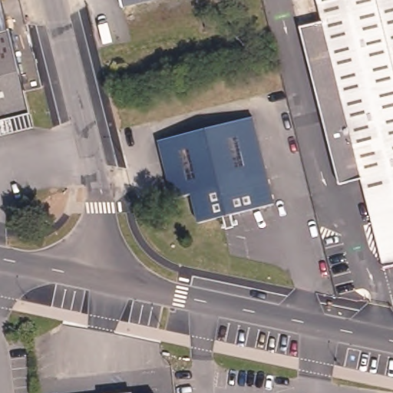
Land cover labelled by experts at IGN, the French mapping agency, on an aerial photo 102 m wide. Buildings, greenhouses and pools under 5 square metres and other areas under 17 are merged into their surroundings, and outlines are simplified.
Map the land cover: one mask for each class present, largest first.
<instances>
[{"label":"impervious surface","instance_id":"1","mask_svg":"<svg viewBox=\"0 0 393 393\"><path fill-rule=\"evenodd\" d=\"M319 0H261L272 31L278 41V51L281 55V68L273 72L281 75L282 89L272 92L269 98L252 97L235 101L221 107L224 112L195 115L180 123L173 118H166L154 123L138 124L134 129H118L115 127L111 111V107L115 106L111 83L107 81L104 88H100L98 83L97 71L103 66L97 46L109 43L117 45L129 41L127 26L130 25V21L138 20L143 12L157 9V0H0V18L2 11H6L8 26L17 35V57H21L26 48L32 45L43 88L49 117L54 127L46 129L34 126L32 115L28 112L0 120V393H29L26 390V350L17 342L8 341L5 335V322H15L25 313L28 315L45 316L61 321L60 325L34 339V352L41 393H393V269L382 270L378 241L368 215L361 180L344 186L336 184L335 170L313 91L312 77L299 35V25L319 20ZM252 115L272 198L269 204L241 212H230L221 218V229L226 230L227 244L232 255L281 267L293 279V289L173 263L150 246L140 227L135 221V204L143 200V193L146 190L164 186L167 181V178L161 175L154 138L160 140L200 127ZM41 201L49 204V212L55 218L68 215L78 213L74 227L63 238L43 246L35 247L34 244L21 243L15 236L8 235L5 220L6 216H12V207L25 209ZM123 209L129 218L130 233L140 249L150 259H154L155 263L178 273L181 278H172L169 281L155 275L130 252L118 229L115 215ZM161 342L189 348L190 358H181L164 352L161 350ZM215 353L293 368L296 370V378H275L273 375L264 376L263 372L223 368L213 361Z\"/></svg>","mask_w":393,"mask_h":393},{"label":"building","instance_id":"2","mask_svg":"<svg viewBox=\"0 0 393 393\"><path fill-rule=\"evenodd\" d=\"M319 20L299 25V35L312 77L313 91L335 170L336 184L344 186L361 180L368 215L378 241L382 270L393 269V0H319ZM17 35L8 26L6 11H2L0 18V120L28 112V92L40 91L43 88L32 45L26 48L21 57H17ZM161 175L167 178V181L173 183V186L178 187L186 196L195 220L221 218L230 212H241L269 204L272 198L252 115L200 127L160 140L154 138Z\"/></svg>","mask_w":393,"mask_h":393},{"label":"herbaceous vegetation","instance_id":"3","mask_svg":"<svg viewBox=\"0 0 393 393\"><path fill-rule=\"evenodd\" d=\"M157 9L143 12L138 20L130 21V25L127 26L129 41L117 45L109 43L97 46L103 66L97 71L98 83L100 88H104L107 81L127 80L147 71H172L183 63V57L195 52L212 54L224 49L243 51L244 45L238 40L216 37V21H210L206 28H203L201 21L193 17L190 0H157ZM261 0H252L249 3V15L256 17V31H263L264 34L272 31ZM282 89L281 75L273 72L267 74L261 68V64H256L250 74L239 72L227 83L216 81L207 91H193L183 100L175 98L169 103L161 101L149 112L115 106L111 107V111L115 127L118 129H134L138 124L154 123L166 118H173L180 123L195 115L224 112L221 107L235 101L252 97L269 98L272 92ZM28 112L32 115L34 126L46 129L54 127L49 117L43 88L40 91L28 92ZM183 210V215L170 216V223L164 224L163 229H152L144 224L140 227L150 246L173 263L293 289V279L281 267L232 255L227 244L226 230L221 229V218L195 220L186 196L178 204ZM115 215L118 229L130 252L155 275L169 281L172 278H181L178 273L155 263L154 259H150L140 249L130 233L129 218L123 209ZM78 213L68 215V221L61 229L45 236L43 246L63 238L74 227ZM31 322L21 325V329L12 335H5L8 341L17 342L26 350L34 352V339L60 325L61 321L45 316L28 315ZM161 350L164 352L181 358H190L189 348L161 342ZM213 361L223 368L263 372L264 376L273 375L275 378H296V370L293 368L215 353Z\"/></svg>","mask_w":393,"mask_h":393},{"label":"deciduous trees","instance_id":"4","mask_svg":"<svg viewBox=\"0 0 393 393\"><path fill-rule=\"evenodd\" d=\"M193 17L201 21L203 28H206L210 21H216V37L238 40L244 45L243 51L224 49L212 54L195 52L183 57V63L172 71H147L127 80L107 81L111 83L115 106L149 112L161 101L169 103L175 98L183 100L193 91H207L216 81L227 83L239 72L250 74L256 64H261V68L267 74L273 72L281 68V55L278 51V41L272 31L264 34L263 31H256V17L249 15V3L252 0H190ZM186 196L178 187L173 186V183L167 181L164 186L146 190L143 193V200L135 204V221L140 227L144 224L152 229H163L164 224L170 223V216L183 215V210L178 204ZM68 221V215L55 218L49 212V204L41 201L25 209L12 207V216H6L5 220L8 235L15 236L21 243L34 244L35 247L43 246L45 236L61 229Z\"/></svg>","mask_w":393,"mask_h":393},{"label":"brushwood","instance_id":"5","mask_svg":"<svg viewBox=\"0 0 393 393\"><path fill-rule=\"evenodd\" d=\"M31 322L28 315L25 313L15 322H5V335H12L21 329V325ZM26 390L29 393H41L34 352L26 350Z\"/></svg>","mask_w":393,"mask_h":393}]
</instances>
